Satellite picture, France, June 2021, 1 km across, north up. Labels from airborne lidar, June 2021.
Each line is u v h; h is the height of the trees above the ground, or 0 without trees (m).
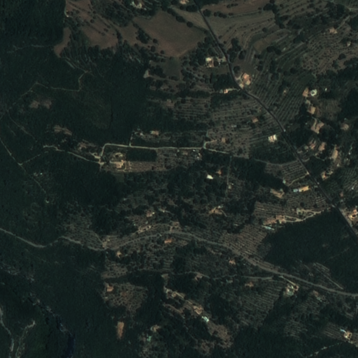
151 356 11
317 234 7
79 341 7
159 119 7
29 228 7
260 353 10
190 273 6
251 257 9
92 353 7
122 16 8
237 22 0
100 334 8
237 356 8
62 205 8
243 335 8
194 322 11
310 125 6
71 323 10
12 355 10
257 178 11
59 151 8
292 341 9
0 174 5
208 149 7
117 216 9
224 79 11
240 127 8
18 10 6
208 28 0
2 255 15
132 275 11
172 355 8
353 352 9
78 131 9
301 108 11
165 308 9
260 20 0
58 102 9
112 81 6
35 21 11
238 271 8
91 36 0
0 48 7
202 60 12
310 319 8
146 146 6
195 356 10
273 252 7
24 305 18
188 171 9
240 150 6
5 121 8
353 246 6
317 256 7
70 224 9
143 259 10
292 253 7
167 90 8
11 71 6
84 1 0
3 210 6
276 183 9
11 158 7
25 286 14
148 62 7
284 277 6
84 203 8
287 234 7
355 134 9
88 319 11
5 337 10
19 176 6
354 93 11
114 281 9
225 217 7
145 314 8
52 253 7
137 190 11
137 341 8
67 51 6
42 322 19
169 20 0
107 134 8
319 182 9
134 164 0
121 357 6
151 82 9
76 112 10
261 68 11
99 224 7
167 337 8
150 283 12
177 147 7
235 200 5
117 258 12
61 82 6
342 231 6
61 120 6
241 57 11
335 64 9
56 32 13
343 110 9
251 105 0
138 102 6
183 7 11
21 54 6
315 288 7
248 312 8
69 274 8
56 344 12
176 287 12
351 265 7
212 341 11
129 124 10
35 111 6
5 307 10
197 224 13
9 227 6
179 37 0
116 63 9
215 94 8
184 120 9
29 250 6
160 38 0
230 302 7
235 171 7
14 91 7
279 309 9
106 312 6
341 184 9
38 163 7
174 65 0
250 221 11
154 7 8
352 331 9
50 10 8
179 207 8
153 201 9
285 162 6
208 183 11
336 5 7
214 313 9
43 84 6
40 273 8
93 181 8
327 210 6
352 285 9
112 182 11
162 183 6
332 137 13
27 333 8
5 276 16
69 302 10
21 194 9
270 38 0
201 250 8
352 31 7
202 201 11
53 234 7
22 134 8
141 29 6
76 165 7
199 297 5
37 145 9
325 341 6
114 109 7
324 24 9
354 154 8
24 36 8
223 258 9
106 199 10
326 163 10
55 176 9
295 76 0
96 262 9
